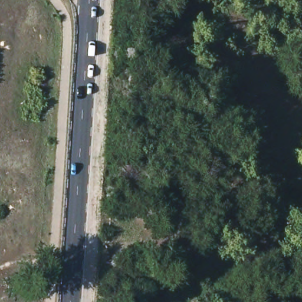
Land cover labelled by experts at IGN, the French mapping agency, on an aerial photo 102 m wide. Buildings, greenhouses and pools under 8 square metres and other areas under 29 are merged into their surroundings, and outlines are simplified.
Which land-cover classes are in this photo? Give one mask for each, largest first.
<instances>
[{"label":"deciduous trees","instance_id":"1","mask_svg":"<svg viewBox=\"0 0 302 302\"><path fill-rule=\"evenodd\" d=\"M110 63L107 65L109 83L105 125V169L100 210L111 218H118L119 221L136 219L142 229L134 238L136 243L119 251L112 257L111 269L94 288L97 289L94 302H302V202L293 198V193L290 196H284L283 193L281 196L277 195L270 177L258 176L255 171L256 146L262 143L263 131L274 119L276 109L270 101L263 103L261 98L245 93V83L239 78V68L241 61L249 55L268 53L271 57L277 58L278 67L288 79L290 92L302 97V0H113ZM37 258H34L32 263L21 262L19 273L17 271L11 278H7V296L15 294L21 302H46V297H50L47 291L64 271L63 252L52 245L50 247L47 243H39L34 248Z\"/></svg>","mask_w":302,"mask_h":302},{"label":"herbaceous vegetation","instance_id":"2","mask_svg":"<svg viewBox=\"0 0 302 302\"><path fill-rule=\"evenodd\" d=\"M59 9L53 6L50 0H0V302H21L15 294L7 296V278H11L17 271L19 273L21 262L32 263L34 258H37L34 248L39 243H47L50 247L52 245L53 183L58 144V101L64 21L60 18ZM37 65L46 66L45 79L40 83V122L32 123L21 119L19 106L24 93L22 86L29 78V70ZM68 11L65 19L71 18L72 39L75 35V17L80 13L79 2L75 4L73 0H61ZM239 78L245 83V93L261 98L263 103L270 101L276 109L274 119L263 131L262 143L256 146L255 171L258 176L270 177L277 195L281 196L283 193L284 196H290L293 193V198L302 202V97L290 92L288 79L278 67L277 58L271 57L268 53L249 55L241 61L239 68Z\"/></svg>","mask_w":302,"mask_h":302},{"label":"impervious surface","instance_id":"3","mask_svg":"<svg viewBox=\"0 0 302 302\"><path fill-rule=\"evenodd\" d=\"M53 6L59 9L60 18L64 21L58 101V144L53 183L52 245L63 252L64 271L47 291L50 297H46V302H94L97 289L94 288L111 269L112 257L119 251L120 244L117 238L107 241L99 231L100 210L105 169V125L109 83L107 65L110 63L113 0H73L75 4L79 2L80 13L75 17V35L72 39L71 18L65 19L68 11L61 0H50Z\"/></svg>","mask_w":302,"mask_h":302},{"label":"brushwood","instance_id":"4","mask_svg":"<svg viewBox=\"0 0 302 302\"><path fill-rule=\"evenodd\" d=\"M46 66L37 65L29 70V78L22 86L24 93L19 106L21 119L32 123L40 122V83L45 79ZM99 231L107 241L117 238L120 244L119 251L136 243L134 238L142 229L136 219L119 221L118 218H111L100 210Z\"/></svg>","mask_w":302,"mask_h":302}]
</instances>
